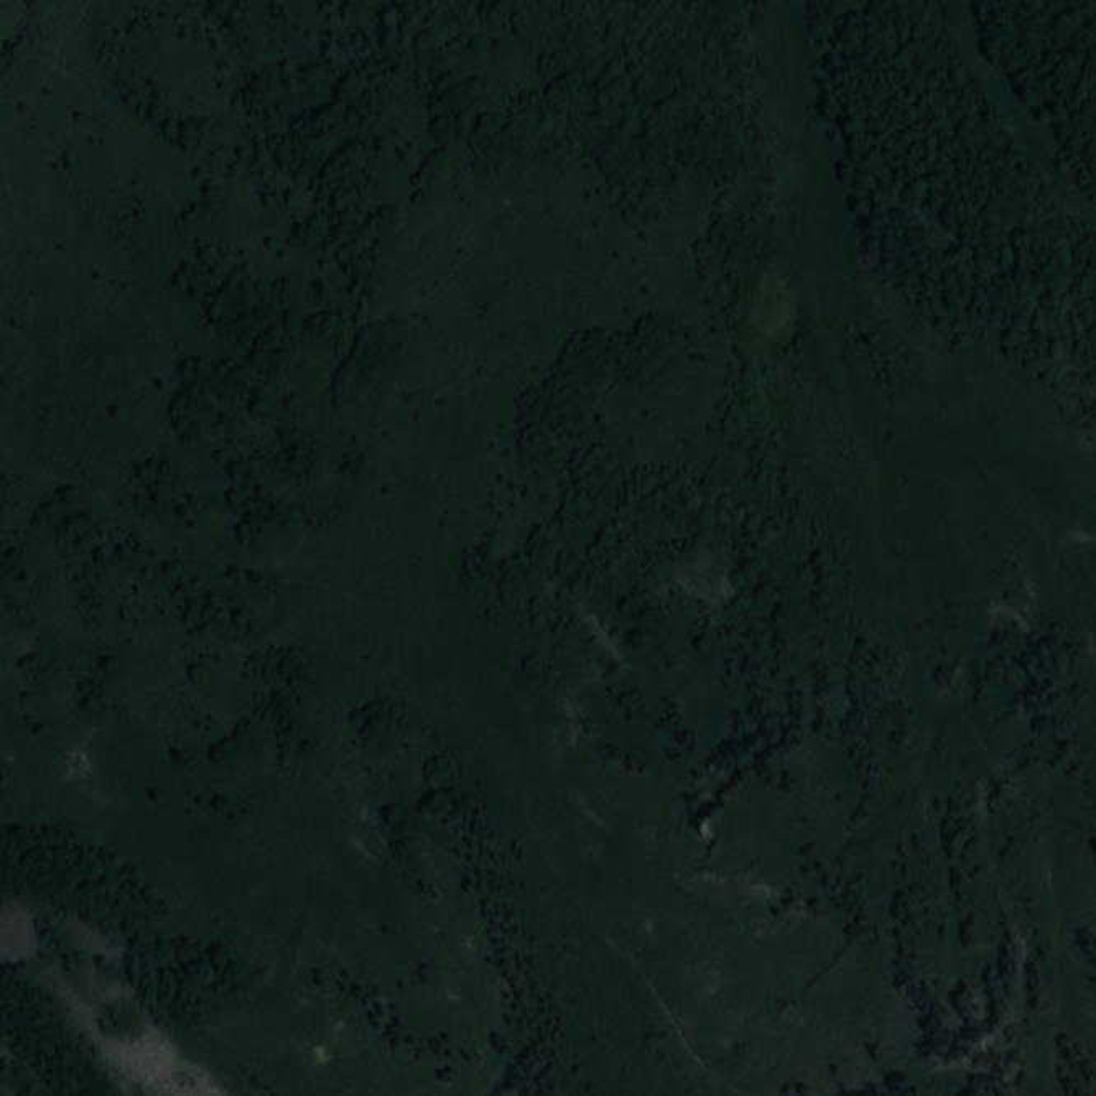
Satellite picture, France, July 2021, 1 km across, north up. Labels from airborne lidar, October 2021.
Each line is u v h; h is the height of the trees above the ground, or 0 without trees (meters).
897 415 0
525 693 0
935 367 0
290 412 11
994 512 0
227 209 0
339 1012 0
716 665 0
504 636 0
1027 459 0
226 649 0
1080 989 0
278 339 14
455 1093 0
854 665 7
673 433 0
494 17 21
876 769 8
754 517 10
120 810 0
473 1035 0
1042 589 0
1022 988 0
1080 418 0
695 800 7
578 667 0
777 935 0
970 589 0
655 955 0
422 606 0
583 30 20
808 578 11
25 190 0
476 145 11
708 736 0
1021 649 0
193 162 0
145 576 6
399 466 0
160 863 0
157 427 0
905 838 0
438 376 0
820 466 0
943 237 0
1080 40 17
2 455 0
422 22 13
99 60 7
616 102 15
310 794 0
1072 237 19
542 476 8
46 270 0
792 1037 0
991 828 0
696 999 0
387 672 0
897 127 14
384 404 0
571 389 10
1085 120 20
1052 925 0
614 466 9
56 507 11
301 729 8
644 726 0
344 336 11
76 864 12
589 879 0
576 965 0
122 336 0
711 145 14
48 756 0
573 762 0
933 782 0
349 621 0
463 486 0
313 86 8
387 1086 0
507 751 0
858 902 7
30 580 8
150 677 0
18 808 0
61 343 0
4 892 15
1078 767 9
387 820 14
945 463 0
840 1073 7
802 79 0
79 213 0
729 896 0
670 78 20
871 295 0
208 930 0
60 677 0
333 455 0
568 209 0
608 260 0
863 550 0
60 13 0
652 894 0
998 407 0
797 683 11
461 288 0
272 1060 0
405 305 0
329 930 0
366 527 0
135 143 0
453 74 13
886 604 0
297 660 11
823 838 0
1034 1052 0
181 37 7
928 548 0
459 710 0
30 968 11
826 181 0
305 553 0
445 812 11
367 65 12
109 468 0
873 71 14
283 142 13
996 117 27
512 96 7
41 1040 13
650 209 12
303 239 12
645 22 25
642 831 0
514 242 0
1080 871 0
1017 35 15
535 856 0
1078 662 0
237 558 0
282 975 0
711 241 9
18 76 0
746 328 17
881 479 0
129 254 0
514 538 0
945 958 0
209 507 0
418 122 0
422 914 0
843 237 0
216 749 10
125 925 16
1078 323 11
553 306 0
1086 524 0
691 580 0
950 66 21
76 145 0
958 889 10
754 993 0
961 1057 9
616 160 14
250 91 16
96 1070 12
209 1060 0
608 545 17
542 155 12
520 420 11
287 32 0
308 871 0
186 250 0
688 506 19
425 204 8
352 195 15
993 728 0
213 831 0
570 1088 0
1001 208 20
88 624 6
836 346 0
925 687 0
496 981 0
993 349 0
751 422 11
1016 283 19
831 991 0
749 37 9
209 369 16
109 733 0
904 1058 0
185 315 0
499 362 0
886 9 17
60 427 0
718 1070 0
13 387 0
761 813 0
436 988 0
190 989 7
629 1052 0
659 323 15
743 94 8
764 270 17
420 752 0
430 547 0
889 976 0
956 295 17
